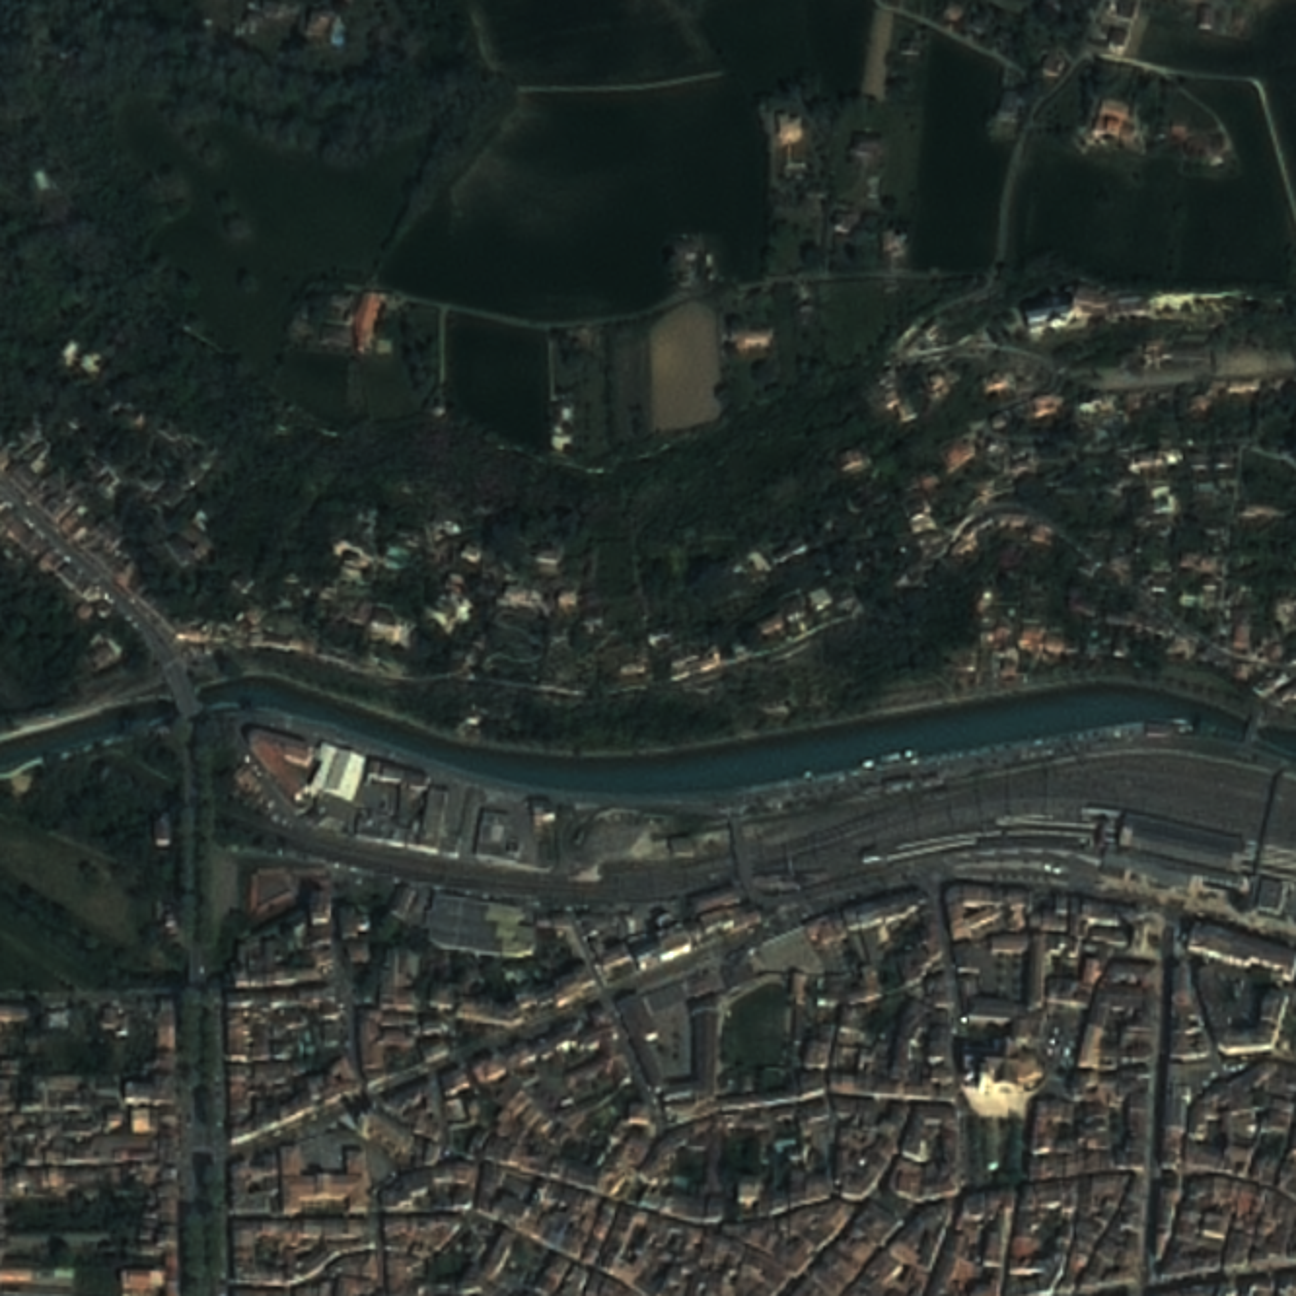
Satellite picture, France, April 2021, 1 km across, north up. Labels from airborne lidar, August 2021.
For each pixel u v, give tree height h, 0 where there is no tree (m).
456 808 0
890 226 7
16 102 15
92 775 9
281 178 0
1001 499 8
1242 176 0
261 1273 0
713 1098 0
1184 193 0
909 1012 0
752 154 0
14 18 13
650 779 0
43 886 0
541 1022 0
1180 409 13
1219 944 0
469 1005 0
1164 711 0
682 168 0
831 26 0
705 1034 0
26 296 19
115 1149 0
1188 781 0
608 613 10
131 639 8
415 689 7
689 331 0
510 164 0
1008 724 0
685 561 13
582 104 0
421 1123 0
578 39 0
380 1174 0
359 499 6
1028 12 6
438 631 7
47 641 10
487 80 16
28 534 0
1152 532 5
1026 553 9
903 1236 0
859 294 0
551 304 0
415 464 12
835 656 13
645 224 0
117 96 9
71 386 16
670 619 10
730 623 6
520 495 8
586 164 0
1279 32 0
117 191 7
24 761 0
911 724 0
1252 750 0
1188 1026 0
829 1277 0
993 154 0
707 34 0
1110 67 6
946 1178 0
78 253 19
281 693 0
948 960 0
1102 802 0
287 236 0
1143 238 0
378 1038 0
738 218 0
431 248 0
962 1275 0
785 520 16
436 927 0
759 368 10
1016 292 17
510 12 0
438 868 0
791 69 0
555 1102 7
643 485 11
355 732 0
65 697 10
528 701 9
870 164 0
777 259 12
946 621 8
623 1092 11
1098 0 9
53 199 0
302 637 0
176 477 9
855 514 8
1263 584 11
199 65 23
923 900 0
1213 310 11
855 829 0
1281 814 0
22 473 0
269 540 14
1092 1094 0
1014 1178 14
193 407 11
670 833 9
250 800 6
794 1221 0
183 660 0
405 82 16
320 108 18
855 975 10
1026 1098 0
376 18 7
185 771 8
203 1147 0
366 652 14
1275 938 0
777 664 9
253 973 0
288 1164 0
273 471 9
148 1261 6
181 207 11
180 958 11
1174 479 6
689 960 0
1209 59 0
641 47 0
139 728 18
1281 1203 0
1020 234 0
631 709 6
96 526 0
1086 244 0
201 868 23
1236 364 0
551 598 9
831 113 14
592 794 0
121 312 8
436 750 0
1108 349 9
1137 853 0
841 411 12
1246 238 0
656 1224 0
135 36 29
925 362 9
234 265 0
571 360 19
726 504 7
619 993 0
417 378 16
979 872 0
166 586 13
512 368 0
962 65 0
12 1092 10
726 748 0
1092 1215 0
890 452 11
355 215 0
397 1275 0
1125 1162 0
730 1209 14
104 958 7
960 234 0
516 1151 0
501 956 7
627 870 0
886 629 19
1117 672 8
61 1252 19
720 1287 0
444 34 11
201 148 12
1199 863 0
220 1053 20
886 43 0
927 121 0
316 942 0
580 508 13
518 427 0
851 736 0
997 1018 0
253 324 0
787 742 0
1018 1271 0
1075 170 0
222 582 12
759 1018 0
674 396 0
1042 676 11
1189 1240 0
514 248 0
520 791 0
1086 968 0
